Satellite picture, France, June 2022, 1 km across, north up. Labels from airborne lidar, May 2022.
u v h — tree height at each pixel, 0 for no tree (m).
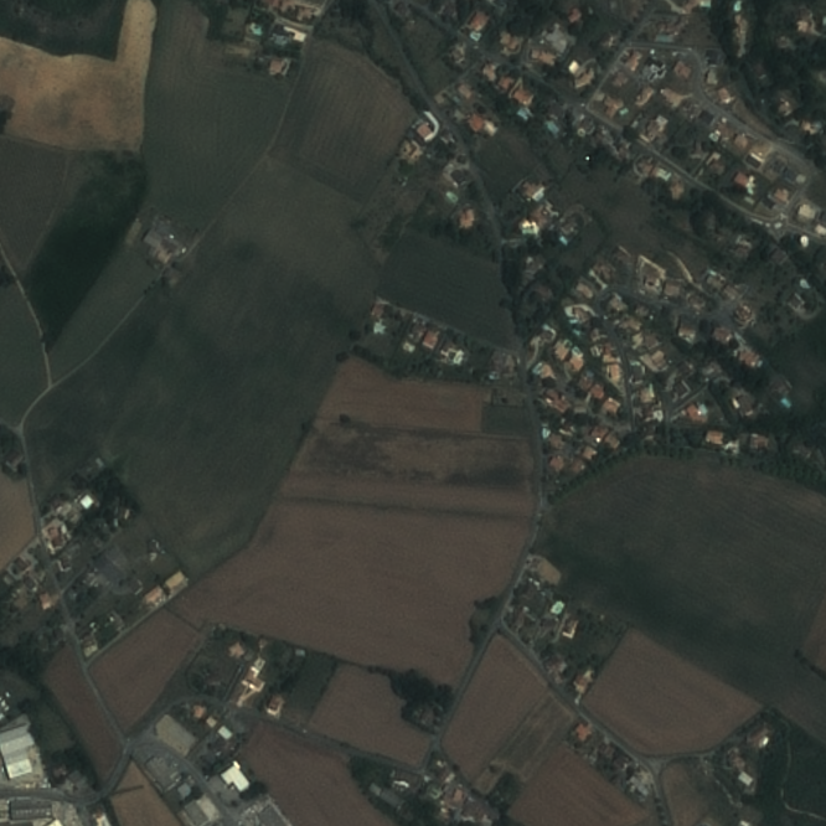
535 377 12
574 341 9
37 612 0
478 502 0
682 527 0
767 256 8
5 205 0
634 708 0
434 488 0
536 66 0
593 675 6
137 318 0
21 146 0
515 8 7
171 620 0
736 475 0
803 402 0
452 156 6
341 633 0
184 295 0
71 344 0
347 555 0
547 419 9
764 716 10
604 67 10
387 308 9
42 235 0
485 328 0
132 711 0
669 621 0
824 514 0
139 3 0
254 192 0
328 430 0
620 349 0
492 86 11
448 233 8
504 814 8
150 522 0
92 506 6
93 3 6
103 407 0
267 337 0
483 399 0
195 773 0
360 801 0
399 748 0
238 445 0
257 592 0
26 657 9
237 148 0
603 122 0
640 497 0
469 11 6
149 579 0
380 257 0
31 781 0
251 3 13
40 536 0
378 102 0
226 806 0
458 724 0
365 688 0
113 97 0
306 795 0
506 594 0
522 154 0
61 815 0
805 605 0
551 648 11
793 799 6
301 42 0
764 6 15
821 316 0
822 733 0
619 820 0
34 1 8
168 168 0
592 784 0
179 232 0
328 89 0
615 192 0
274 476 0
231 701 0
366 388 0
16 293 0
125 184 0
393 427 0
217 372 0
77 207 0
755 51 13
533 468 0
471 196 7
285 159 0
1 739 0
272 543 0
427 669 0
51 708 6
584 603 0
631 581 0
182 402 0
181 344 0
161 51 0
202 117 0
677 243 0
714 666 0
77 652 0
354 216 0
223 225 0
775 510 0
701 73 0
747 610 0
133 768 0
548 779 0
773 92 12
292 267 0
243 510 0
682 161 11
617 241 0
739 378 15
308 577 0
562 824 0
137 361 0
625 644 0
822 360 0
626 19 0
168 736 0
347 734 0
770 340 7
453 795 0
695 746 0
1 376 0
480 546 0
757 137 0
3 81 0
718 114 0
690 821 0
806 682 0
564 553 0
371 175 0
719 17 7
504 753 0
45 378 0
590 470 8
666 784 0
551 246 9
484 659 0
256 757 0
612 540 0
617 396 6
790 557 0
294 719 0
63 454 0
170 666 0
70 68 0
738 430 7
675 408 0
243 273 0
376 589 0
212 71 0
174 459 0
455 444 0
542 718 0
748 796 8
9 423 0
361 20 17
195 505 0
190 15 0
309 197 0
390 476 0
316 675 0
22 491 0
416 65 7
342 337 0
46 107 0
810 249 0
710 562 0
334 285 0
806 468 7
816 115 10
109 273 0
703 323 11
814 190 0
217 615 0
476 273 0
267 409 0
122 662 0
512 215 8
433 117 0
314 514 0
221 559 0
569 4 0
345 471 0
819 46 16
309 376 0
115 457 0
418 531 0
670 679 0
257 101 0
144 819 0
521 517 0
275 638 0
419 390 0
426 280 0
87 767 9
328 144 0
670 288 0
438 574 0
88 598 7
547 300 13
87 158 0
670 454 13
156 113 0
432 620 0
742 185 0
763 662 0
